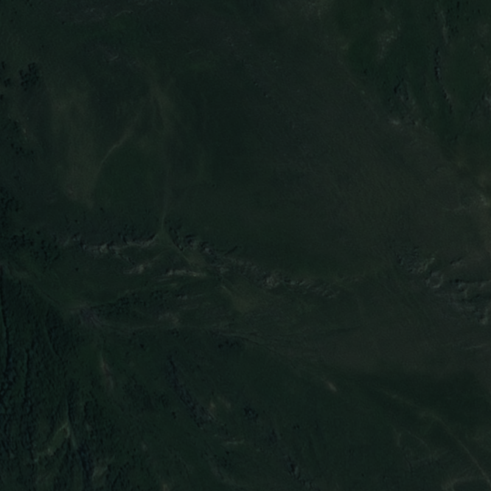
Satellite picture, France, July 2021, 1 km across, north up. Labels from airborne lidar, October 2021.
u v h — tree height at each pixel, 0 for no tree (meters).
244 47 0
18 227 0
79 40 0
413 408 0
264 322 0
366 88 0
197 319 0
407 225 0
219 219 0
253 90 0
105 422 9
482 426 0
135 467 6
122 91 0
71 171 0
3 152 0
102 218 0
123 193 0
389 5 0
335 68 0
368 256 0
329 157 0
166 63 0
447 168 0
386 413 0
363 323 0
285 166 0
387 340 0
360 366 0
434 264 0
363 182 0
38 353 9
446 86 0
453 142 0
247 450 0
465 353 0
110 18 0
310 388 0
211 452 0
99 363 0
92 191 0
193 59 0
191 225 0
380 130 0
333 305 0
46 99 0
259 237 0
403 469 0
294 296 0
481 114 0
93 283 0
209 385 0
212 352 0
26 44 0
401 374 0
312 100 0
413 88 0
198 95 0
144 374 0
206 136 0
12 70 0
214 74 0
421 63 0
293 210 0
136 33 0
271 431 0
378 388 0
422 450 0
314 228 0
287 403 0
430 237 0
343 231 0
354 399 0
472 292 0
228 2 0
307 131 0
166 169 0
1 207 10
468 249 0
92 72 0
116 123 0
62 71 0
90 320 0
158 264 0
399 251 0
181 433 0
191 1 0
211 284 0
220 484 0
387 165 0
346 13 0
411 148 0
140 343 0
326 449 0
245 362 0
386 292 0
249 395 0
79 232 0
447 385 0
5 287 13
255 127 0
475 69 0
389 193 0
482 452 0
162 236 0
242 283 0
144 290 0
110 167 0
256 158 0
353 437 0
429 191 0
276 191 0
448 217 0
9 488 0
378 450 0
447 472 0
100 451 8
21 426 9
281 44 0
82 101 0
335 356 0
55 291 0
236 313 0
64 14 0
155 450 0
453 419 0
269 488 0
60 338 8
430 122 0
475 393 0
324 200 0
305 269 0
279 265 0
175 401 0
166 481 0
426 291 0
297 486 0
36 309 11
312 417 0
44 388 17
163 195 0
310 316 0
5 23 0
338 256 0
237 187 0
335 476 0
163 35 0
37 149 0
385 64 0
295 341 0
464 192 0
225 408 0
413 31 0
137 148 0
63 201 0
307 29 0
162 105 0
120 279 0
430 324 0
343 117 0
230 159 0
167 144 0
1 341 20
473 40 0
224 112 0
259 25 0
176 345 0
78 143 0
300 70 0
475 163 0
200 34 0
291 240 0
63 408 7
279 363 0
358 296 0
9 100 0
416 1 0
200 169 0
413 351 0
